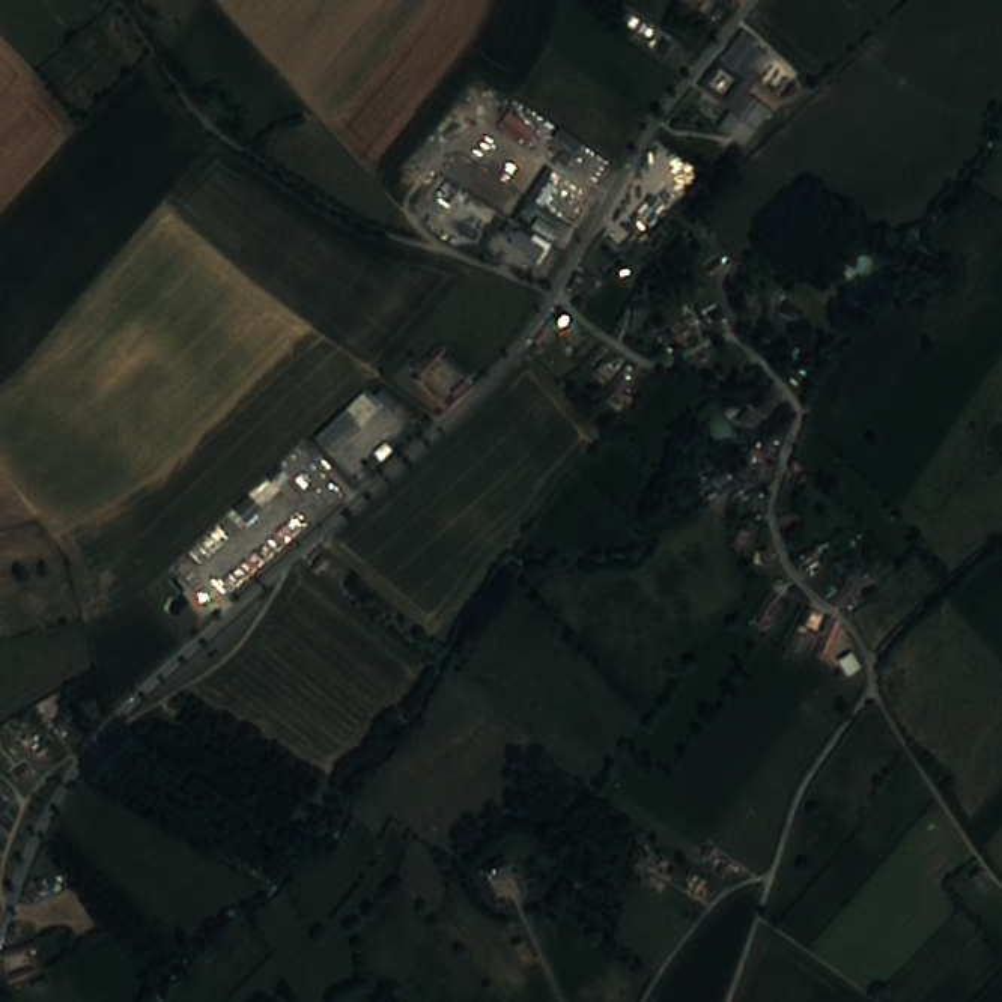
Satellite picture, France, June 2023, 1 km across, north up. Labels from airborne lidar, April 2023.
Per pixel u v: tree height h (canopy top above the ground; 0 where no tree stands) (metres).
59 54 0
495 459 0
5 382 0
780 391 0
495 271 0
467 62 0
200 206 0
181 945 13
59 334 0
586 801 30
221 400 0
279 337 0
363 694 0
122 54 0
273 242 0
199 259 0
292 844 29
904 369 0
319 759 0
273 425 0
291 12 0
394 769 0
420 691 11
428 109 0
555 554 12
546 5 0
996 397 0
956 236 0
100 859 0
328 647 0
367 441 0
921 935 0
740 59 0
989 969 0
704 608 0
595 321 0
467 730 0
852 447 0
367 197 0
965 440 0
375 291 0
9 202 0
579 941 0
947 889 6
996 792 0
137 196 0
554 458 0
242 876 0
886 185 0
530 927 0
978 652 0
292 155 0
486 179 0
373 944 0
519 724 0
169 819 31
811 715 0
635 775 0
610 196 0
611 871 25
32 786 0
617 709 0
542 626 0
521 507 0
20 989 0
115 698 0
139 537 0
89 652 0
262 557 0
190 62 0
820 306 0
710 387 12
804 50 0
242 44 0
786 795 0
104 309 0
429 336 0
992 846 0
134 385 0
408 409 0
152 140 0
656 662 0
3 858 0
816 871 0
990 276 0
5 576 0
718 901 0
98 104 9
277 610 0
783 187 0
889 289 14
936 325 0
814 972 0
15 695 0
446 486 0
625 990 0
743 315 19
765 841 0
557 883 14
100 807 0
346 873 0
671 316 0
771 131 0
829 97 0
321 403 0
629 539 0
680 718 0
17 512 0
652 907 0
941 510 0
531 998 0
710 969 0
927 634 0
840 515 0
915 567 0
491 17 0
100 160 0
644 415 0
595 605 0
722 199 0
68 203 0
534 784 29
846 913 0
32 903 0
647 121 0
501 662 0
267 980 0
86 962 0
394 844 0
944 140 0
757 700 0
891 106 0
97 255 0
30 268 0
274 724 0
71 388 0
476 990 0
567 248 0
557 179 0
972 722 0
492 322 0
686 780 0
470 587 0
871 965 0
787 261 36
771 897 0
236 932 0
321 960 0
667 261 7
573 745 0
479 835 15
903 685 0
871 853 0
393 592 0
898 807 0
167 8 0
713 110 0
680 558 0
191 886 0
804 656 0
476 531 0
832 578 0
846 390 0
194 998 0
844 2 0
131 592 0
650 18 0
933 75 0
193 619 0
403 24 0
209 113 0
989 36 0
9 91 0
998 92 0
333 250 0
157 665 0
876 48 0
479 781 0
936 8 0
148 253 0
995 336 0
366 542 0
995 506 0
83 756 0
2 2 0
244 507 0
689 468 16
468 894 11
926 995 0
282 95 0
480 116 0
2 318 0
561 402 0
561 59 0
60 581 0
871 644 0
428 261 0
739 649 0
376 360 0
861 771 0
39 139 0
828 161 0
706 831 0
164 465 0
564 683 0
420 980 0
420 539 0
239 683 0
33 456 0
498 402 0
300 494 0
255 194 0
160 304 0
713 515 0
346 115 0
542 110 0
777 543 0
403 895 0
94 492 0
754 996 0
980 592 0
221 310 0
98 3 0
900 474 0
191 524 0
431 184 0
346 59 0
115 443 0
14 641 0
